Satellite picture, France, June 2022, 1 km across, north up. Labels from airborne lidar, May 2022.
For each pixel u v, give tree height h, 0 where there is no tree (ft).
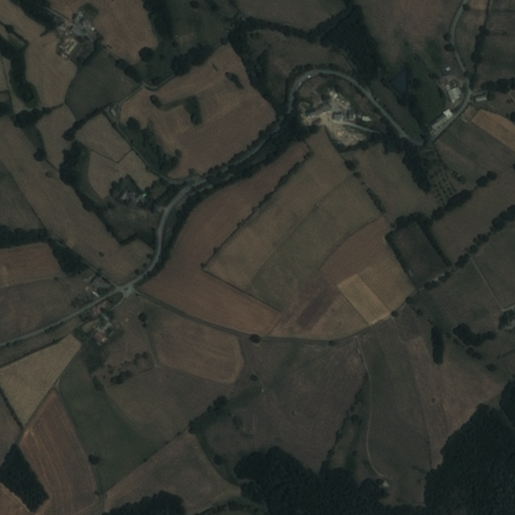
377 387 0
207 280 0
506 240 0
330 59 0
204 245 0
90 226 0
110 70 0
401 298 0
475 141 0
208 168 0
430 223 58
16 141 0
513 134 0
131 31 0
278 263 0
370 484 59
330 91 0
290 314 0
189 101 0
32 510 32
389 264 0
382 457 0
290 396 0
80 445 0
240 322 0
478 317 0
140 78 48
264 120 0
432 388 0
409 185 0
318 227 0
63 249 38
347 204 0
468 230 0
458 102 0
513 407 61
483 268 0
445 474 45
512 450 72
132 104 0
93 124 0
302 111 0
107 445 0
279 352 0
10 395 0
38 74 0
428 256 0
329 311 0
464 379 0
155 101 45
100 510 0
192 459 0
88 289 0
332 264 0
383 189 0
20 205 0
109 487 0
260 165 41
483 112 0
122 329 0
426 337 0
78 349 0
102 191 0
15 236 50
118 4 0
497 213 0
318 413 0
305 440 0
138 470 0
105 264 0
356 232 0
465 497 46
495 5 0
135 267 0
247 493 77
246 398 0
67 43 0
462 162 0
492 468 56
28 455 0
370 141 36
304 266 0
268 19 0
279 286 0
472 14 0
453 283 0
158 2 57
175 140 0
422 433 0
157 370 0
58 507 0
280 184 26
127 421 0
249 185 0
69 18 0
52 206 0
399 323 0
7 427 0
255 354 0
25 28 0
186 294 0
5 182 0
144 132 30
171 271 0
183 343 0
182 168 0
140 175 0
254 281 0
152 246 36
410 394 0
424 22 0
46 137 0
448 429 0
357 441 0
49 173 31
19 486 44
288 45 0
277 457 90
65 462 0
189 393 0
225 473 0
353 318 0
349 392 0
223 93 0
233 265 0
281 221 0
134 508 51
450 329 0
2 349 0
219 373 0
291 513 96
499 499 64
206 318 0
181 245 0
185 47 0
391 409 0
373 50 79
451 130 0
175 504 46
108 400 0
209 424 0
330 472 53
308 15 0
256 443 0
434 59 0
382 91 0
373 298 0
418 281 0
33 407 0
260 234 0
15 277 0
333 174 0
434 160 21
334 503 83
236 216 0
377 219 0
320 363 0
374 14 0
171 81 0
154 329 0
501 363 0
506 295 0
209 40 0
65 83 0
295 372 0
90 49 0
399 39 0
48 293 0
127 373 35
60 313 0
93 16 0
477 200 0
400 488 0
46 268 0
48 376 0
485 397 0
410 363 0
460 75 0
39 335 0
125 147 0
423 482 0
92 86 0
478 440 54
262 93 20
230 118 0
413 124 0
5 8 0
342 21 46
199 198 40
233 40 47
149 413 0
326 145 0
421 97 0
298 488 81
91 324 0
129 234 0
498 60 0
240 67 0
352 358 0
